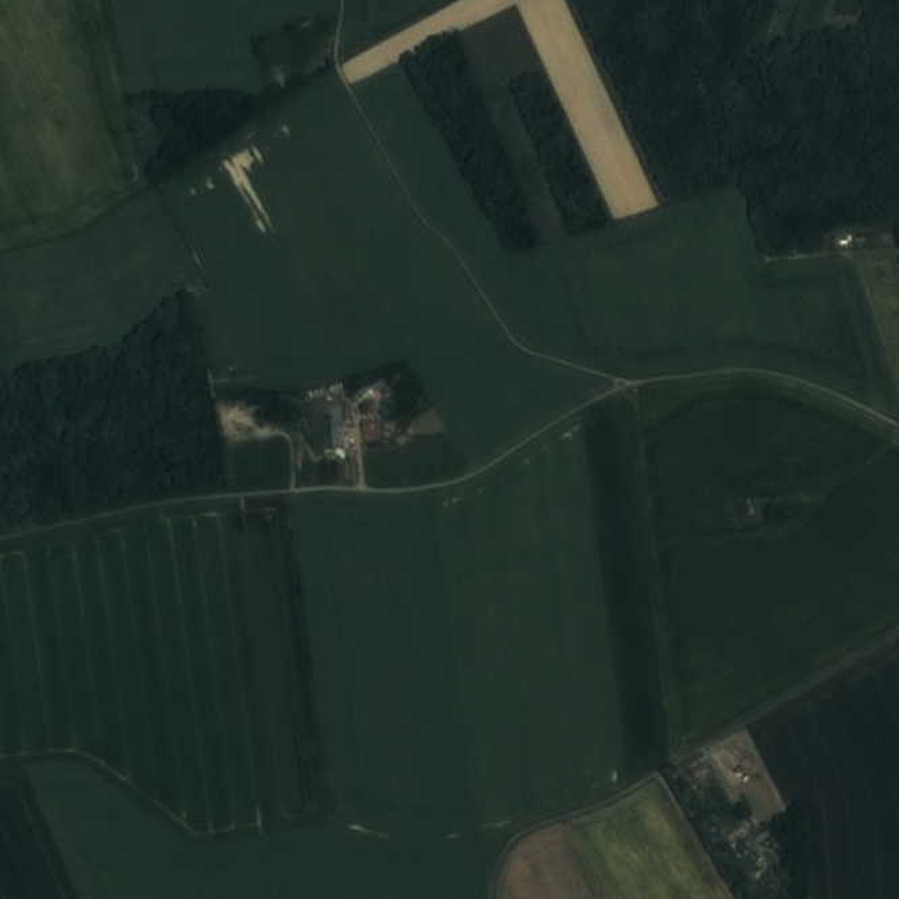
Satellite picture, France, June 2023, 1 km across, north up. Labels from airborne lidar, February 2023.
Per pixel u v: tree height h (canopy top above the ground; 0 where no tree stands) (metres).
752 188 20
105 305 0
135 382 21
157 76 0
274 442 0
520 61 0
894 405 0
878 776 0
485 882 0
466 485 0
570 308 0
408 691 0
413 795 0
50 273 0
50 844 0
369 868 0
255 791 0
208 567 0
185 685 0
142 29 0
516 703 0
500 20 0
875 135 21
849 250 0
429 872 0
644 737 0
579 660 0
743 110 21
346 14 0
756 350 0
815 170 22
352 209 0
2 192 0
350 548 0
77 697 0
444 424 0
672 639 0
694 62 19
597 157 0
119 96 0
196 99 11
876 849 0
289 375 0
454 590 0
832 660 0
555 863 0
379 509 0
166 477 19
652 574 0
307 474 0
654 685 0
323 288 0
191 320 18
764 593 0
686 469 0
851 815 0
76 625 0
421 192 0
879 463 0
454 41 14
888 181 25
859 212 19
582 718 0
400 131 0
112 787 0
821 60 15
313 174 0
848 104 19
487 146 18
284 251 0
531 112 16
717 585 0
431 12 0
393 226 0
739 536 0
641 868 0
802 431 0
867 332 0
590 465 0
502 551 0
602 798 0
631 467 0
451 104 14
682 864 0
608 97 0
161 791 0
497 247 0
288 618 0
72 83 0
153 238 0
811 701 0
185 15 0
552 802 0
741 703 0
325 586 0
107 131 0
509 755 0
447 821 0
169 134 21
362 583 0
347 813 0
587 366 0
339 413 0
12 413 27
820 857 0
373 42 0
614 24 16
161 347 25
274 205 0
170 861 0
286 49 0
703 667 0
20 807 0
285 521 0
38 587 0
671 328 0
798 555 0
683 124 20
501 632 0
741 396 0
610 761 0
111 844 0
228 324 0
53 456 21
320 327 0
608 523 0
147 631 0
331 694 0
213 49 0
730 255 0
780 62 17
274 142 0
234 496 0
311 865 0
